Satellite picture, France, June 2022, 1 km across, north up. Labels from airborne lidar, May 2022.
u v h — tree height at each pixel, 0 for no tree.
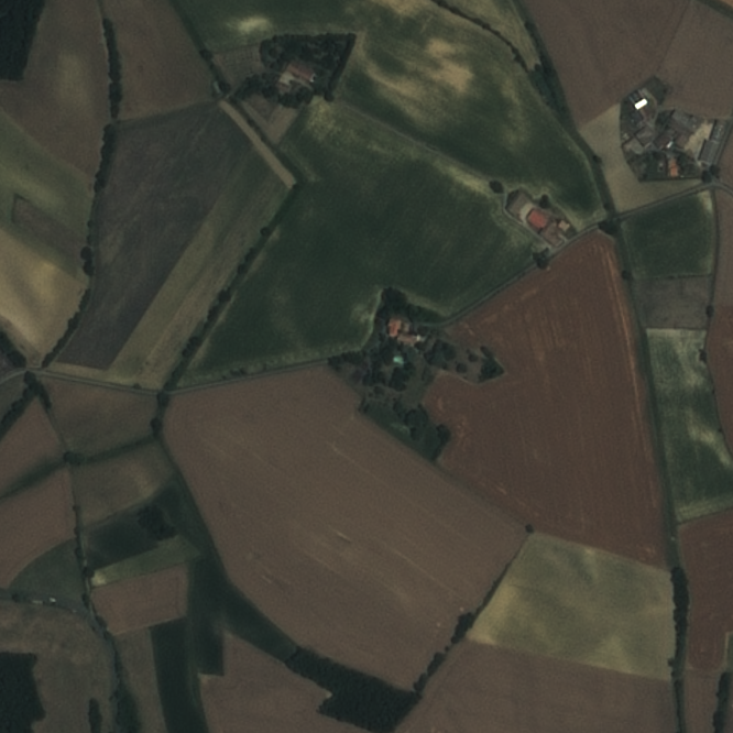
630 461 0
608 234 9
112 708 0
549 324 0
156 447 0
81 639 0
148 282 0
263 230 11
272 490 0
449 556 0
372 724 15
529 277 0
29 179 0
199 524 0
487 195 0
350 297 0
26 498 0
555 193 0
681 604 17
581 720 0
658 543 0
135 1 0
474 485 0
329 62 10
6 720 11
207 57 21
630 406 0
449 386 0
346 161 0
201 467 0
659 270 0
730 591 0
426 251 0
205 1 0
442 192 0
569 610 0
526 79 0
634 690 0
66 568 0
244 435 0
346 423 0
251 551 0
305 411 0
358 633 0
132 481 0
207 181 0
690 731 0
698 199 0
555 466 0
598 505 0
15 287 0
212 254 0
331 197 0
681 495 0
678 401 0
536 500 0
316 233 0
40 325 0
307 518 0
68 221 0
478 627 0
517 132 0
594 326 0
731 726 0
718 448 0
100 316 0
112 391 0
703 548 0
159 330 0
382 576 0
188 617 0
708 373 0
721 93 0
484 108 0
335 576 0
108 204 0
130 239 0
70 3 0
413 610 0
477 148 0
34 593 0
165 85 0
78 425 0
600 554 0
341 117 0
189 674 0
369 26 0
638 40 0
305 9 0
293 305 0
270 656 0
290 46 8
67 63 0
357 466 0
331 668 14
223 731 0
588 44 0
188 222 0
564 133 0
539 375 0
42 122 0
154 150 0
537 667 0
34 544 0
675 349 0
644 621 0
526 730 0
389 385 9
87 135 0
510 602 0
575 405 0
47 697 0
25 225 0
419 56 0
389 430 0
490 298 0
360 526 0
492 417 0
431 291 0
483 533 0
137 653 0
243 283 0
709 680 0
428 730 0
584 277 0
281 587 0
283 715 0
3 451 0
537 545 0
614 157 0
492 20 0
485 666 0
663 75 0
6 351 12
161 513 12
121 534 0
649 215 0
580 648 0
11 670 18
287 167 0
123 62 0
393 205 0
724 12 0
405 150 0
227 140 0
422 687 11
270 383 0
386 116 0
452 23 0
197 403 0
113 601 0
